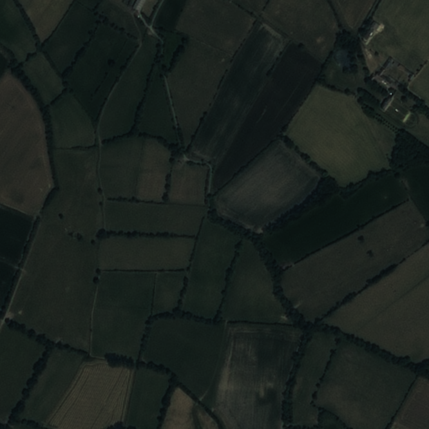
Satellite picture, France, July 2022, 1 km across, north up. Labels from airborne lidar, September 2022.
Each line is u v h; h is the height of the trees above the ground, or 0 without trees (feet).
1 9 0
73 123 0
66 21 0
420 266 0
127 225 0
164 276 0
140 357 21
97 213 0
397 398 0
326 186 56
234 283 0
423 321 0
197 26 0
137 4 0
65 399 0
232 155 0
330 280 0
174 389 40
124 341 0
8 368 0
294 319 62
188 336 0
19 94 0
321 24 0
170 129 0
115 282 0
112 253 0
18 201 0
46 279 0
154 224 0
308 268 0
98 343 0
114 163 0
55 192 23
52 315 0
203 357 0
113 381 0
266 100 0
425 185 0
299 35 0
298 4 0
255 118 0
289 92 0
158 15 0
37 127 0
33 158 0
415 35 0
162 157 0
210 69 0
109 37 0
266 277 0
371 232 0
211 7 0
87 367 0
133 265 0
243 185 0
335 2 0
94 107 0
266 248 45
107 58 0
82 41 0
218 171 0
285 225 66
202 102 0
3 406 0
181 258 0
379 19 0
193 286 0
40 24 0
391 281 0
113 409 0
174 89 0
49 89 0
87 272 0
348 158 0
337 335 70
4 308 41
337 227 0
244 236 24
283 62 0
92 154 0
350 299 52
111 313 0
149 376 0
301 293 0
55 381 0
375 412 0
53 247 0
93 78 0
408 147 68
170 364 0
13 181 0
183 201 0
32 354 0
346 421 0
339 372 0
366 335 0
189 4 0
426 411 0
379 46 0
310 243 0
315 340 0
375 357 0
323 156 0
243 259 0
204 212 0
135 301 0
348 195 31
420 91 0
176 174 0
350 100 0
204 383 0
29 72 0
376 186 0
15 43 0
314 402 24
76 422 0
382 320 0
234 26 0
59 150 0
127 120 0
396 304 0
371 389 0
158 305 0
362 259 0
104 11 0
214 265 0
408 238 0
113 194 0
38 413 0
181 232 0
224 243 0
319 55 0
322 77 24
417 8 0
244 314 0
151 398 0
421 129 0
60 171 0
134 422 0
